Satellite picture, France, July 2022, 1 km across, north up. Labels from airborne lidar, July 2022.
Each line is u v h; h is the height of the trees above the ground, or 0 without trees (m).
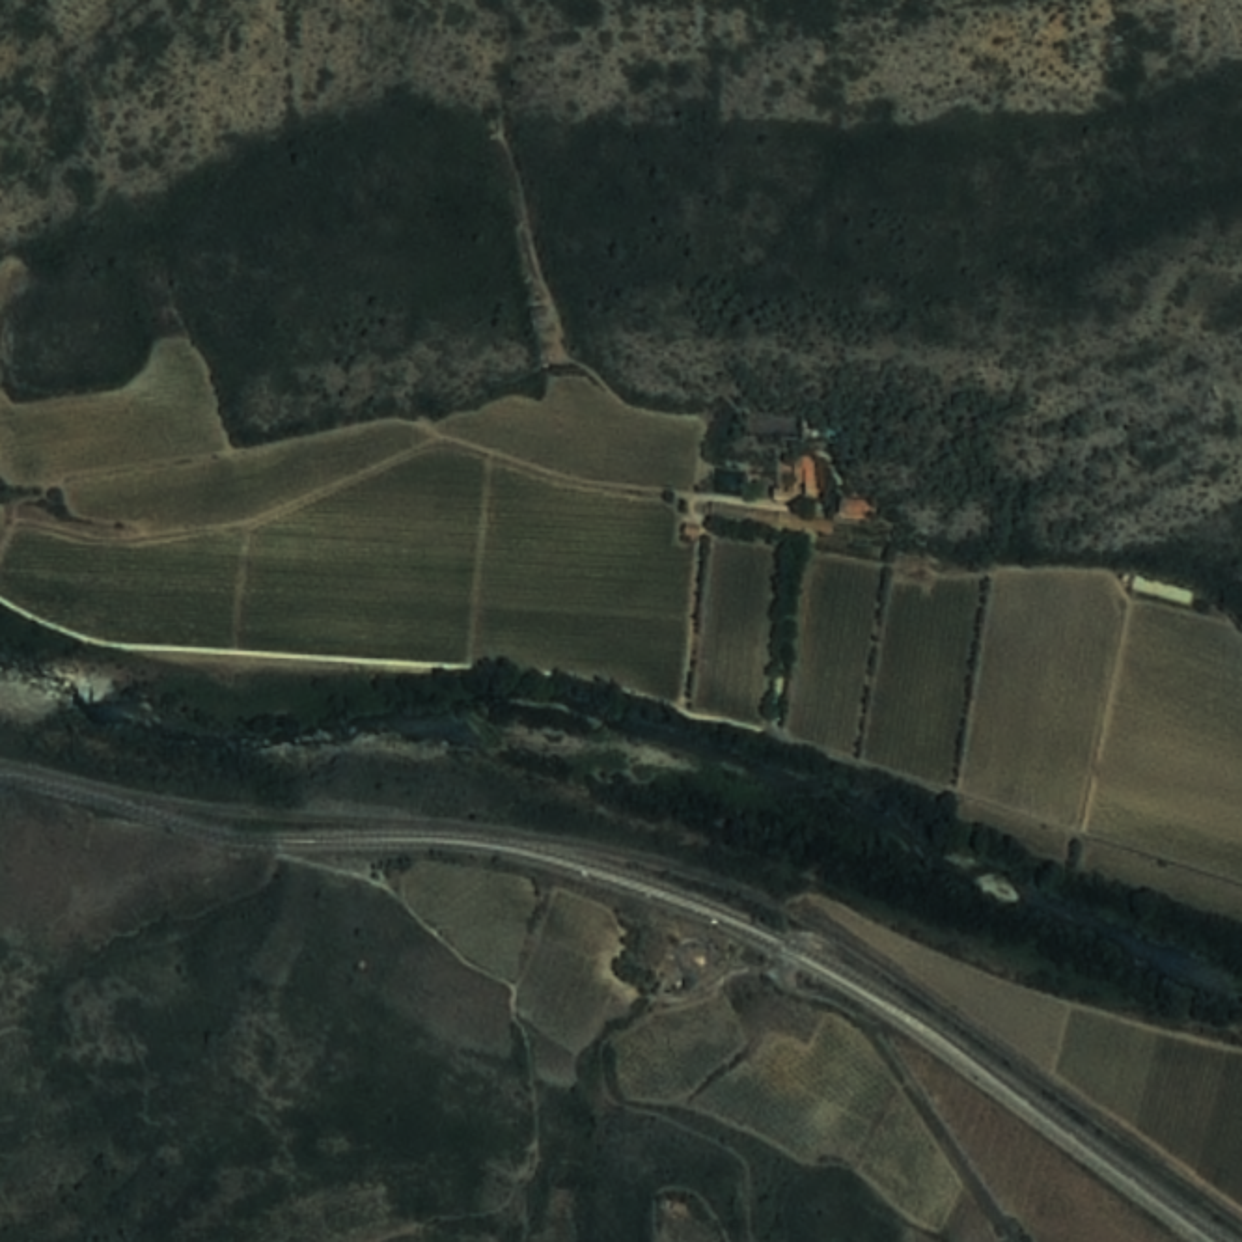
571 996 0
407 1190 0
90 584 0
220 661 0
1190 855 0
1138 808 0
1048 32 0
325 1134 0
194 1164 0
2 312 0
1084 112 0
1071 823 0
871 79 0
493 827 0
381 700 6
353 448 0
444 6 0
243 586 0
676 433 0
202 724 12
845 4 0
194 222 0
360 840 0
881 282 7
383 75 0
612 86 0
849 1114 0
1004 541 14
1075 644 0
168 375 0
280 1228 0
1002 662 0
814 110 0
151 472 0
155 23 0
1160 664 0
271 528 0
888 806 17
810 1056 0
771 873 6
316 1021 0
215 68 0
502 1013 0
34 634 7
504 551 0
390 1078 0
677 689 0
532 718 9
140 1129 0
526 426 0
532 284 0
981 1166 0
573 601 0
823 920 0
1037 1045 0
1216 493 0
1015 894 0
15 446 0
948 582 0
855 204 0
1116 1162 0
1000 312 7
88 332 0
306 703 6
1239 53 0
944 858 7
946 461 10
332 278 0
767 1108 0
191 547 0
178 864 0
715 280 13
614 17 0
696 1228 0
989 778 0
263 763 6
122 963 0
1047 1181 0
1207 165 0
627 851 0
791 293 0
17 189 0
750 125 0
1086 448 0
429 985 0
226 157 0
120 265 12
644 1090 0
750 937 0
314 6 0
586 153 0
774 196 0
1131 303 0
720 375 9
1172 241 0
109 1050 0
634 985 10
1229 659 0
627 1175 0
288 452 0
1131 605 0
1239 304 0
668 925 0
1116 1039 0
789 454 9
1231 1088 0
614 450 0
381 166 0
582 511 0
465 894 0
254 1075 0
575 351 6
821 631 0
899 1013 0
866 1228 0
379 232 0
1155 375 0
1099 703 0
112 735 7
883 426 14
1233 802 0
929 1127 0
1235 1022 7
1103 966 7
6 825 0
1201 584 9
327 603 0
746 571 0
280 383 0
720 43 0
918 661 0
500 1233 6
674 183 0
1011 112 0
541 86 0
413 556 0
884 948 0
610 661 0
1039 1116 0
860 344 8
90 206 0
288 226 0
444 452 0
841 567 0
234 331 0
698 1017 0
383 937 0
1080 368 0
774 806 6
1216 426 0
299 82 0
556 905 0
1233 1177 0
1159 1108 0
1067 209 0
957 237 8
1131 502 6
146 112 0
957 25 0
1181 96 0
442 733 0
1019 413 11
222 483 0
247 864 0
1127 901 11
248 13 0
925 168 0
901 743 0
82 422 0
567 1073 0
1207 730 0
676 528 0
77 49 0
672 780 6
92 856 0
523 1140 0
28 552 0
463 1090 0
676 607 0
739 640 0
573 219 0
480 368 0
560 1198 0
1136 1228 0
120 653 6
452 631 0
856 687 0
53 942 0
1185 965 0
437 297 0
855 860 8
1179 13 0
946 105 0
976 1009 0
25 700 0
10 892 0
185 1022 0
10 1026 0
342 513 0
